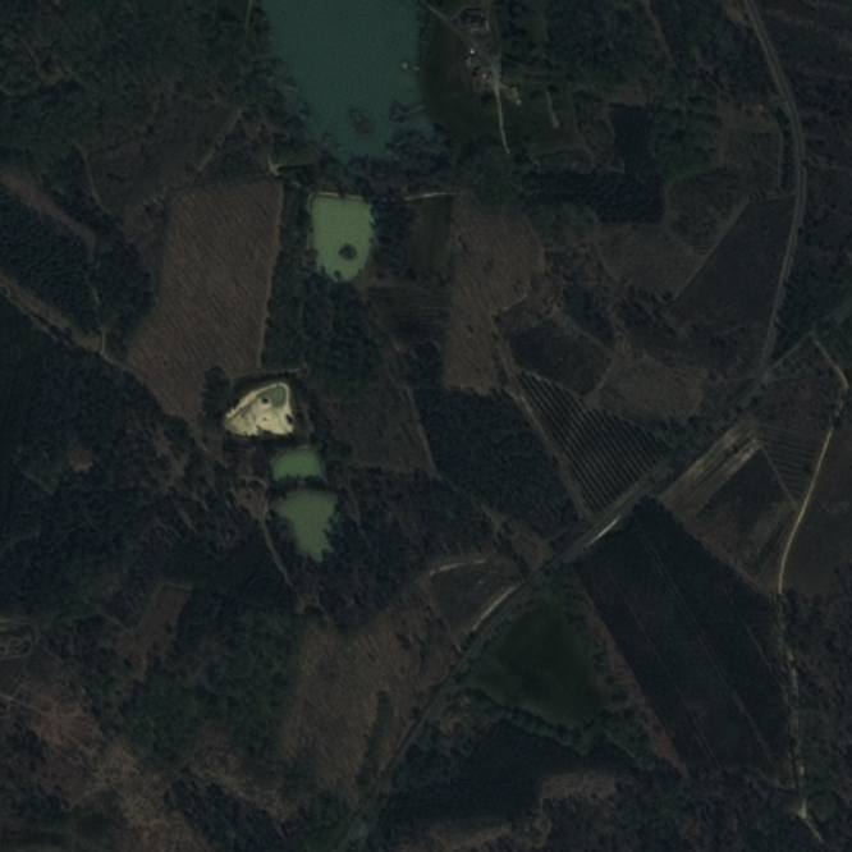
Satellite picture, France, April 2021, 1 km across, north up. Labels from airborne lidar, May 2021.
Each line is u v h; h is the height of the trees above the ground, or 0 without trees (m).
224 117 11
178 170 11
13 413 14
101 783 0
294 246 18
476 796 13
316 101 0
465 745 10
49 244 17
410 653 10
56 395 20
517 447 11
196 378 24
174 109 10
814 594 0
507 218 23
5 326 13
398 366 18
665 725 9
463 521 15
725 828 26
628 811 20
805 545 0
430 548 16
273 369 12
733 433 0
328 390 15
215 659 14
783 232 0
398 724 15
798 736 14
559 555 10
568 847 23
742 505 6
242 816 21
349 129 0
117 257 19
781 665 7
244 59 22
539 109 8
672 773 17
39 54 13
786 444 0
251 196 19
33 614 20
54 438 19
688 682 7
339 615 20
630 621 10
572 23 25
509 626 7
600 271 9
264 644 20
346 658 22
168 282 19
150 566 16
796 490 0
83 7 19
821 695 23
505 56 9
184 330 24
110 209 12
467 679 11
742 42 26
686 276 0
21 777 8
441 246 0
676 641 7
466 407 15
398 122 7
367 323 17
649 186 13
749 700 8
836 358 14
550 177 9
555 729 7
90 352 12
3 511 13
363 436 16
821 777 14
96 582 16
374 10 0
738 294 0
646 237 0
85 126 26
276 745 15
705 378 0
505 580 0
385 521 16
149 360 22
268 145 18
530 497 13
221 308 21
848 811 22
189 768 7
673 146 25
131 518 24
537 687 0
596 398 0
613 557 8
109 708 13
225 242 21
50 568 24
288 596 20
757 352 7
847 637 17
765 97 27
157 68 25
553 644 0
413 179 17
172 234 19
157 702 21
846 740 14
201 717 9
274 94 24
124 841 0
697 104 18
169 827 0
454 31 0
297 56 0
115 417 23
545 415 7
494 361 17
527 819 17
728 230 0
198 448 15
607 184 16
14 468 15
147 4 27
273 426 0
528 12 19
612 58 29
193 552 12
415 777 16
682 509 0
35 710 0
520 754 14
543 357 6
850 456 0
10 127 14
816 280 11
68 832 12
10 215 19
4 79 13
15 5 22
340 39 0
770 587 0
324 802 17
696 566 9
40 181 22
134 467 21
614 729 20
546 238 23
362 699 22
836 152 0
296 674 20
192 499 15
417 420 10
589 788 0
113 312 10
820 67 10
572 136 0
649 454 7
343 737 22
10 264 19
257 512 0
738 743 7
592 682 0
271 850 23
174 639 12
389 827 12
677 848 21
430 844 8
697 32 18
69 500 23
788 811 15
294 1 0
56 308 15
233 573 11
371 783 14
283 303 16
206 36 27
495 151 20
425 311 0
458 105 0
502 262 18
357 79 0
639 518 8
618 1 24
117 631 6
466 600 0
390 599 15
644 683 8
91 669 21
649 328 13
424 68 0
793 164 11
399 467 8
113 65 23
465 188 23
